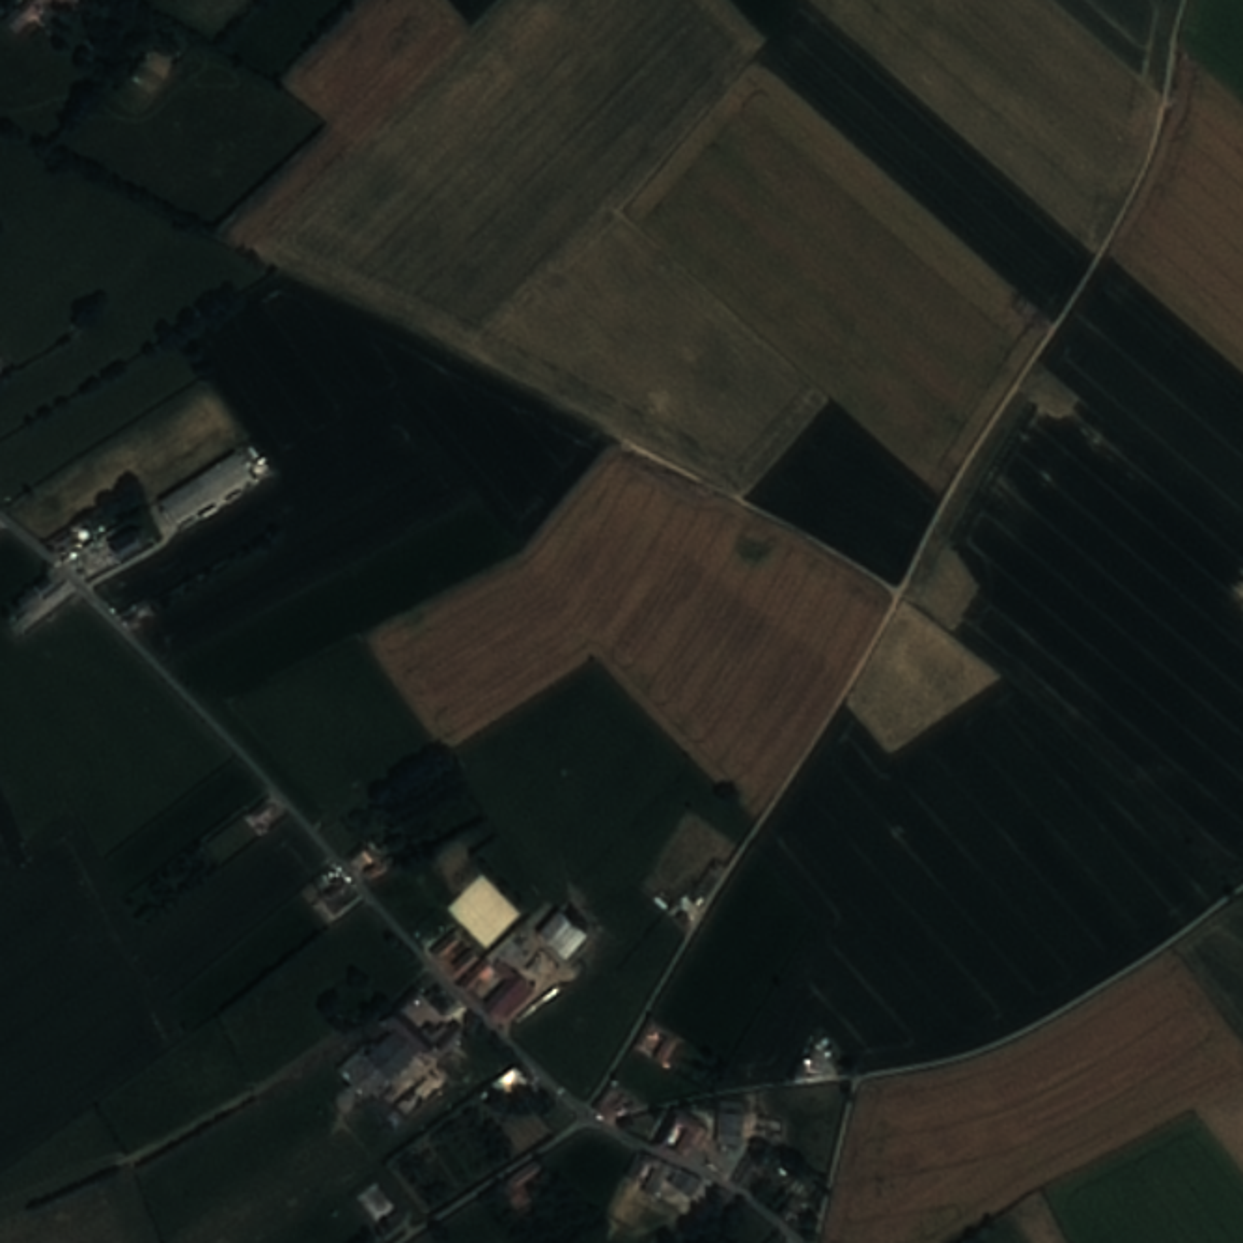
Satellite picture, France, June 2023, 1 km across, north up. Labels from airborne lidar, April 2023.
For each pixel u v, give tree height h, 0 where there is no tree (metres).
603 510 0
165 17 7
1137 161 0
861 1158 0
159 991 0
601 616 0
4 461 0
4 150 0
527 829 0
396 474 0
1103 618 0
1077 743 0
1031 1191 0
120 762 0
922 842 0
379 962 0
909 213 0
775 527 0
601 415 0
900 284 0
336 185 0
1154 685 0
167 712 0
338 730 0
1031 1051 0
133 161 0
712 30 0
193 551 0
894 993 0
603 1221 11
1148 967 0
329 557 0
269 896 0
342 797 0
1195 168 0
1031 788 0
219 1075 0
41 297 0
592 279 0
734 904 0
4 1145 0
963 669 0
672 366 0
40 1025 0
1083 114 0
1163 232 0
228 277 0
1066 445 0
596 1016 0
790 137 0
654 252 0
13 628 0
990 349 0
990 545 0
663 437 0
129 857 0
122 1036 0
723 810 0
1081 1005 0
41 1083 0
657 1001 0
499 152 0
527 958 0
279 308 0
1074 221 0
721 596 0
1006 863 0
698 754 0
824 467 0
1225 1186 0
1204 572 0
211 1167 0
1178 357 0
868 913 0
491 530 0
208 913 0
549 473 0
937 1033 0
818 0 0
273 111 0
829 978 0
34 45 0
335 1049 0
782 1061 0
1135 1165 0
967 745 0
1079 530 0
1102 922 0
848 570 0
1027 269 0
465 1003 0
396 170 0
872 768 0
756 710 0
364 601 0
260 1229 0
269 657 0
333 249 0
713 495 0
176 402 0
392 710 0
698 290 0
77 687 0
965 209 0
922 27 0
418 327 0
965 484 0
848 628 0
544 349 0
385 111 0
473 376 0
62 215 0
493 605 0
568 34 0
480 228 0
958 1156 0
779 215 0
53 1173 0
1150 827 0
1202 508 0
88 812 0
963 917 0
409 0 0
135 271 0
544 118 0
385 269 0
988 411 0
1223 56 0
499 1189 6
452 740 0
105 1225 0
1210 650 0
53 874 0
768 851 0
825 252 0
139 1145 0
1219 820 0
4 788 0
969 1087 0
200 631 0
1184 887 0
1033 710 0
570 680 0
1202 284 0
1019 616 0
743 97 0
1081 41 0
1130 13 0
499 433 0
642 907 0
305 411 0
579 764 0
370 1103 0
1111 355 0
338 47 0
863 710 0
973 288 0
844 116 0
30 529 0
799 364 0
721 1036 0
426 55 0
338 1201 0
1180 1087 0
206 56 0
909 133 0
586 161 0
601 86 0
